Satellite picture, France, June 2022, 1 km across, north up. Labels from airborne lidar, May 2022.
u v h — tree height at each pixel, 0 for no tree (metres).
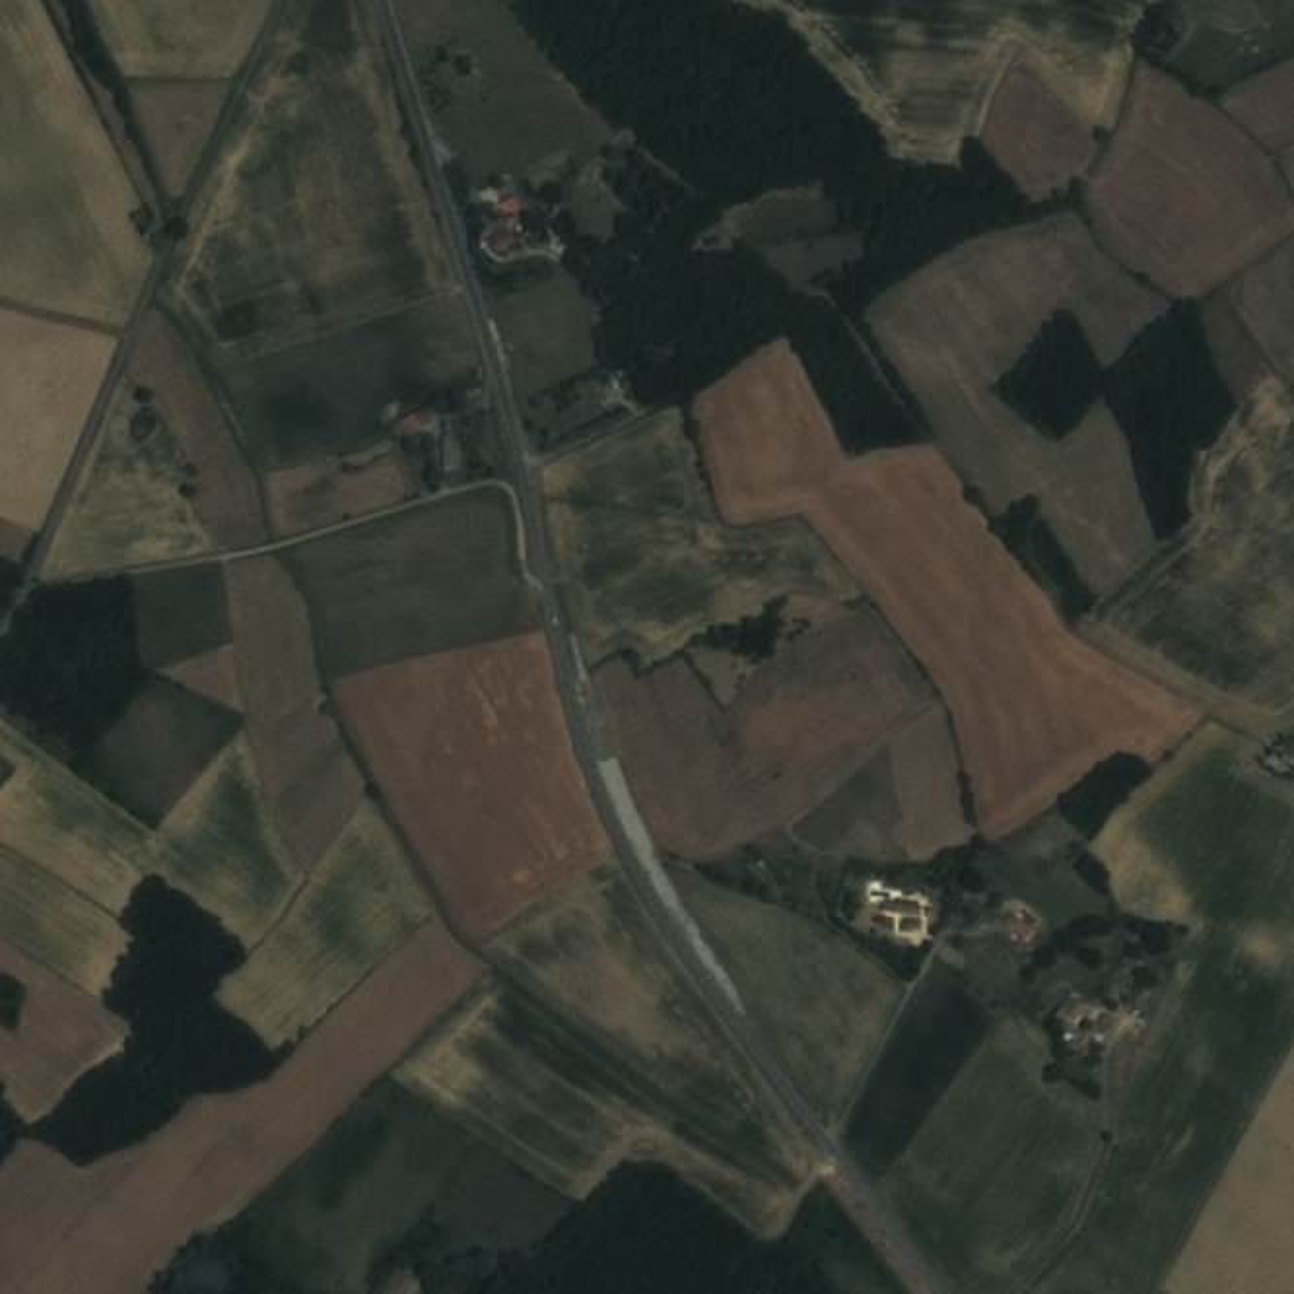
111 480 0
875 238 16
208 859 0
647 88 17
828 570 0
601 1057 0
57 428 0
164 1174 0
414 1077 0
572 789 0
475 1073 0
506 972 0
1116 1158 0
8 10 0
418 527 0
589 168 0
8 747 0
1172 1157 0
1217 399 14
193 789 0
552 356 0
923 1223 0
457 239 0
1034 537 6
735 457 0
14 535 0
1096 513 0
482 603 0
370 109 0
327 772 0
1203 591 0
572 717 0
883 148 16
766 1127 0
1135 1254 0
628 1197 9
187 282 0
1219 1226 0
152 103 0
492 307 0
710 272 17
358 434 0
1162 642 0
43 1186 0
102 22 0
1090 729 0
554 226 7
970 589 0
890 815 0
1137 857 0
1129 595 0
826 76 7
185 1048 17
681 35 18
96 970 0
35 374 0
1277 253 0
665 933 0
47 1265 0
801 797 0
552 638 0
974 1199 0
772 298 12
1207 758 0
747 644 8
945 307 0
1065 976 0
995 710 0
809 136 18
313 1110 0
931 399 0
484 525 0
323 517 0
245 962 11
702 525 0
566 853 0
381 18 0
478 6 0
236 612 0
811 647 0
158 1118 13
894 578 0
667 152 13
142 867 0
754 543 0
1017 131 0
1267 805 0
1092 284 0
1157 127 0
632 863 0
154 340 0
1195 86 11
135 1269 0
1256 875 0
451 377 0
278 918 0
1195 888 0
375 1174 0
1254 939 0
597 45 15
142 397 16
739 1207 0
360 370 0
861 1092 0
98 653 10
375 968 0
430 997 0
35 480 0
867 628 0
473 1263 19
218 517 0
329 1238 0
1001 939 0
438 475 14
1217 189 0
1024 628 0
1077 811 9
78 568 0
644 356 16
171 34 0
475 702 0
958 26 0
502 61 0
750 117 11
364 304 0
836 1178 0
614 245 11
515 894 0
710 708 0
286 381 0
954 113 0
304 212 0
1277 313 0
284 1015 0
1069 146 0
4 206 0
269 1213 0
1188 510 12
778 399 0
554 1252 18
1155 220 0
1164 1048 0
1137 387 13
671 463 0
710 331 15
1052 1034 7
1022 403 11
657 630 0
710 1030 0
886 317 0
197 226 0
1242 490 0
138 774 0
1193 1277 0
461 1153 0
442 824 0
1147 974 15
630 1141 0
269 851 0
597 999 0
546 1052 0
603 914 0
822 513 0
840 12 0
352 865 0
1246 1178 0
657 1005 0
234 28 0
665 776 0
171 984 17
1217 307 0
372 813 0
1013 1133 0
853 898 11
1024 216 13
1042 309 0
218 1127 0
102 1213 0
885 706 0
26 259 0
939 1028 0
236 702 0
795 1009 0
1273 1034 0
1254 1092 0
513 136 0
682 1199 11
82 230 0
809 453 0
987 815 0
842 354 10
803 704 0
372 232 0
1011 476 0
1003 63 0
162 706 0
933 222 18
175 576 0
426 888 0
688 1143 0
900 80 0
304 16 0
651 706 0
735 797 0
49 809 0
